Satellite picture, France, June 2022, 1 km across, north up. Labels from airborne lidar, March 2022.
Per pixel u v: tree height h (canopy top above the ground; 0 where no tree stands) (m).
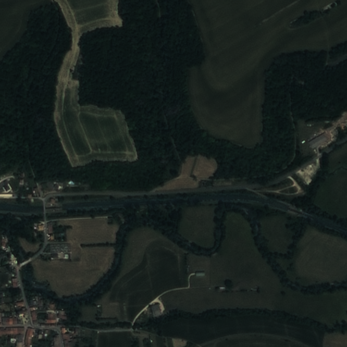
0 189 0
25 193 0
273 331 0
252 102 0
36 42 16
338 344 0
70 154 0
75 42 0
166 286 0
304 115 19
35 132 18
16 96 25
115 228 0
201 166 0
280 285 0
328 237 0
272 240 0
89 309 0
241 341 0
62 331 0
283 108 9
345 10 0
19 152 12
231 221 0
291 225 8
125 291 0
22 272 0
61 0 0
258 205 0
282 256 9
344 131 0
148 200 0
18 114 22
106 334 0
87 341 6
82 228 0
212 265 0
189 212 0
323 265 0
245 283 0
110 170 7
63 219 0
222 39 0
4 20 0
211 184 10
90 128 0
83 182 7
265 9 0
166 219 0
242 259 0
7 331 0
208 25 0
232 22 0
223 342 0
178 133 17
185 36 16
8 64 23
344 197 0
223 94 0
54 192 0
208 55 0
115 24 0
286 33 0
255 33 0
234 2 0
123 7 15
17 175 6
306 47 0
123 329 0
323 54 17
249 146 0
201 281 0
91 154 0
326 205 0
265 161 13
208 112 0
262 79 0
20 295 0
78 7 0
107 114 0
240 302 0
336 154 0
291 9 0
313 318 0
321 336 0
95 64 10
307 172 0
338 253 0
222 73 0
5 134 14
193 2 0
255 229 15
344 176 0
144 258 0
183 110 10
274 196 9
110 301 0
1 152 8
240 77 0
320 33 0
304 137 0
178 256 0
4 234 12
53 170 8
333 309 0
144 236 0
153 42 23
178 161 21
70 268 0
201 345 0
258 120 0
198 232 0
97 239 0
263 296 0
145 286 0
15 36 0
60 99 0
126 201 0
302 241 0
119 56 10
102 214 0
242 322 0
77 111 0
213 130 0
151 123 18
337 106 22
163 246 0
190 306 0
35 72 20
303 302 0
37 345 0
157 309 0
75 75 0
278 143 10
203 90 0
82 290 0
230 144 8
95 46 14
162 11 0
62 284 0
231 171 23
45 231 0
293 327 0
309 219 20
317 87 19
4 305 0
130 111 19
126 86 12
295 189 0
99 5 0
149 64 20
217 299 0
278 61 17
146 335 0
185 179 0
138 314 0
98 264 0
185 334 0
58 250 0
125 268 0
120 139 0
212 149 15
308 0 0
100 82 15
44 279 0
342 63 12
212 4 0
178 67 20
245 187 0
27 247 0
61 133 0
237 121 0
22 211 0
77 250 0
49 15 16
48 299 0
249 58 0
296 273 0
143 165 7
